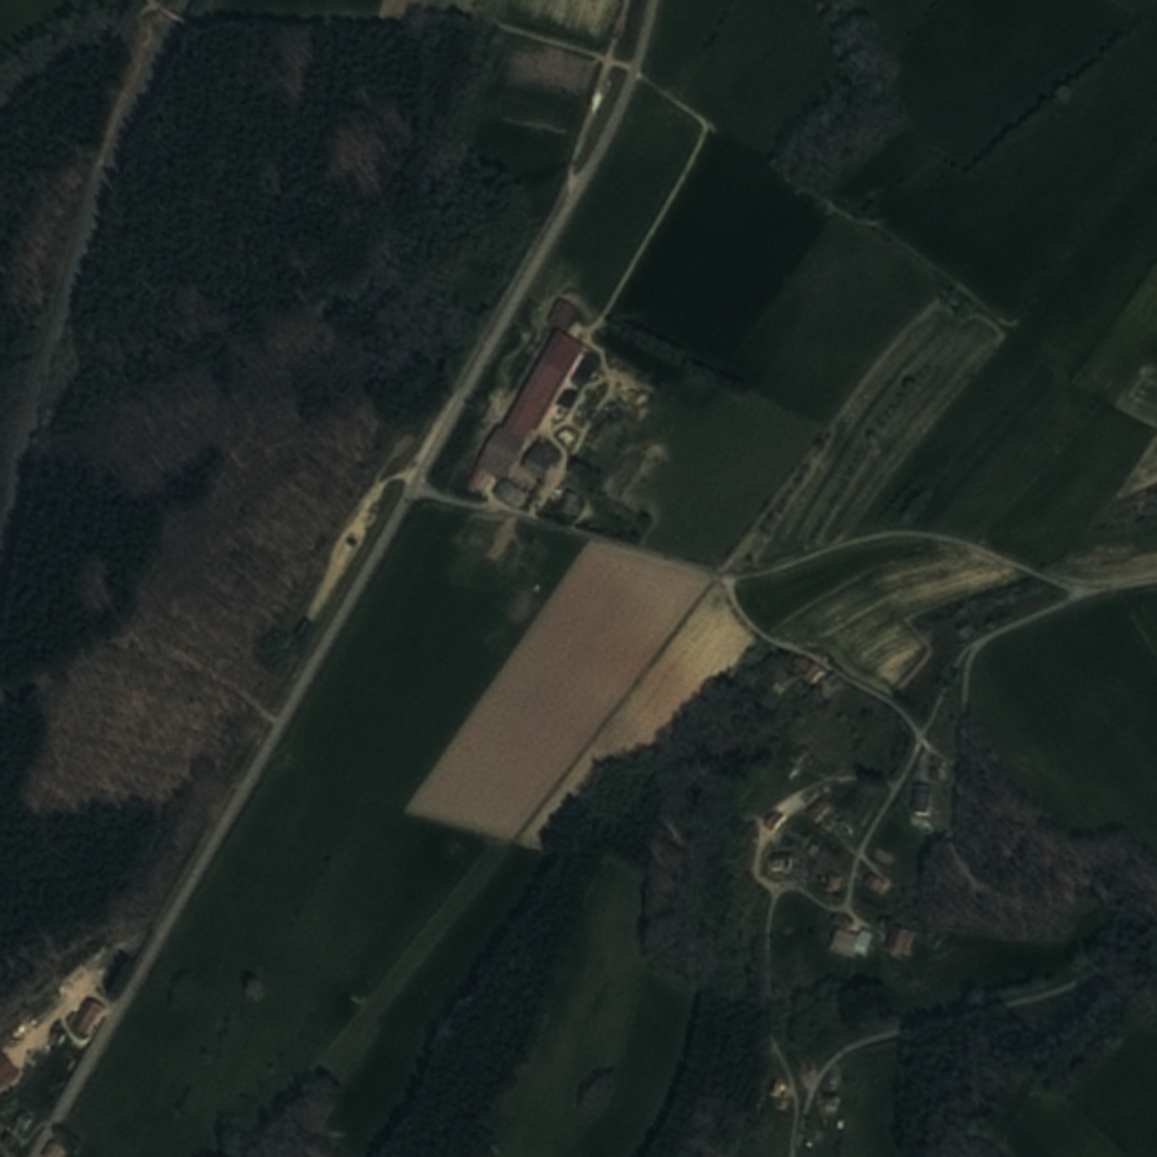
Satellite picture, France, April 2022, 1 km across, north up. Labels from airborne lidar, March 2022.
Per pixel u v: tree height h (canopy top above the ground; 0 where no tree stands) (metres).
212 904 0
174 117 23
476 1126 20
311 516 0
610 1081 19
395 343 21
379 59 18
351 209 26
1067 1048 19
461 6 0
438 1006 0
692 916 29
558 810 0
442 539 0
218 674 0
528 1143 0
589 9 0
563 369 0
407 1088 0
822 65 0
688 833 21
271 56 17
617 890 0
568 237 0
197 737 0
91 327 27
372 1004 0
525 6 0
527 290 0
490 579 0
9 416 21
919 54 0
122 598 24
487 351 0
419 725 0
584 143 0
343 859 0
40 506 25
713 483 0
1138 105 0
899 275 0
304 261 19
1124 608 0
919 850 0
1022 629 0
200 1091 0
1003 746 0
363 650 0
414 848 0
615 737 0
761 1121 12
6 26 0
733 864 24
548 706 0
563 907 23
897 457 0
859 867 0
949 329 0
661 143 0
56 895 26
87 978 0
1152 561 0
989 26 0
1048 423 0
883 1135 0
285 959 0
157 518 23
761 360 0
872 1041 0
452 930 0
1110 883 26
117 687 0
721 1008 21
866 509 0
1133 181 0
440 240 24
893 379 0
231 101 21
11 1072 0
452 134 22
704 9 0
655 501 0
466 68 23
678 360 18
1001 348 0
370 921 0
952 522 0
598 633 0
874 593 0
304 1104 22
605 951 0
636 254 0
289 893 0
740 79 0
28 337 25
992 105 0
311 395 14
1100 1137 0
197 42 25
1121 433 0
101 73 26
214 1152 0
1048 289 0
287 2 0
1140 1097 0
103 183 0
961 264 0
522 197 12
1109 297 0
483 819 0
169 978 0
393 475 0
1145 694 0
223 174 17
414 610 0
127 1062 0
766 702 19
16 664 26
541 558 0
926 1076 16
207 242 16
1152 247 0
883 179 0
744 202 0
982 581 0
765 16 0
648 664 0
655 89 0
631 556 0
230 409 19
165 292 25
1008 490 0
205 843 0
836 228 0
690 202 0
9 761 24
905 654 0
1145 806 0
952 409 0
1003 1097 21
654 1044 0
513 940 21
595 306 0
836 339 0
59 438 19
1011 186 0
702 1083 22
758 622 0
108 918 24
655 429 0
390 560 0
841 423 0
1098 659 0
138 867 28
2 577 0
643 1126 0
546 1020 18
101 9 21
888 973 0
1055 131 0
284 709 0
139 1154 0
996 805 20
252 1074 0
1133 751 0
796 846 0
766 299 0
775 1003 18
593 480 19
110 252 22
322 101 22
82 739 0
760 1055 22
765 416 0
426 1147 20
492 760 0
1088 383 0
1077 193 0
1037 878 20
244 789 0
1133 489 0
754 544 0
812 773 0
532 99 0
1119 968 33
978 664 0
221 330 25
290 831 0
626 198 0
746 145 0
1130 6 0
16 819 16
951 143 0
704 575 0
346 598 0
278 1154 24
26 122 27
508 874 0
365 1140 0
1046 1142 0
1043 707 0
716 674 0
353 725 0
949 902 17
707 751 13
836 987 12
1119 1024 24
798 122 0
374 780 0
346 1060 0
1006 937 12
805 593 0
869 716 11
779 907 0
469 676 0
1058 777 0
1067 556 0
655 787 23
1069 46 0
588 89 0
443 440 0
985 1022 21
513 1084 19
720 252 0
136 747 0
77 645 26
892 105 21
